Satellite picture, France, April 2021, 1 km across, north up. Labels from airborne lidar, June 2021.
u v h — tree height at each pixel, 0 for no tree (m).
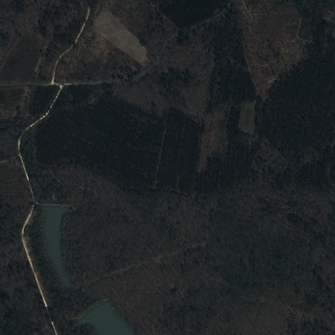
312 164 8
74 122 15
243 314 20
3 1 9
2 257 18
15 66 0
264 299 24
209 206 19
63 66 11
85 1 10
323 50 15
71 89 14
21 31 8
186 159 16
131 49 0
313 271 10
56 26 9
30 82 8
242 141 18
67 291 9
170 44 14
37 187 13
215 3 9
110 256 12
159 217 8
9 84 10
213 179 17
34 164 21
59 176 14
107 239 16
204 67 8
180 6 10
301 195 20
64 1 15
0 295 18
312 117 18
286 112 19
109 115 17
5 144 22
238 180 15
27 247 0
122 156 17
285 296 14
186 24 9
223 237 14
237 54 22
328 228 16
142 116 12
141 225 15
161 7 9
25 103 13
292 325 14
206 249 8
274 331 13
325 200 17
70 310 19
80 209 10
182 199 16
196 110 9
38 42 0
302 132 21
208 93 15
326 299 10
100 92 17
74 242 8
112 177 16
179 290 23
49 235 0
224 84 20
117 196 13
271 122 21
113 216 14
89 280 16
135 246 16
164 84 16
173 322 11
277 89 21
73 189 13
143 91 11
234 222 18
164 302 23
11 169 6
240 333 12
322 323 17
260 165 17
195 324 9
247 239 16
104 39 0
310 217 11
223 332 9
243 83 21
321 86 22
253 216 12
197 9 7
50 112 15
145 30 6
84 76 9
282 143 14
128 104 16
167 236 17
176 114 14
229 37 20
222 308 18
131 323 24
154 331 24
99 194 16
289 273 13
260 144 20
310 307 14
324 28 18
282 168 6
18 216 20
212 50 7
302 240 13
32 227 7
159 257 13
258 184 8
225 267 17
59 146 11
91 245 11
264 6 7
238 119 22
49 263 10
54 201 23
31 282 24
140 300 23
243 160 20
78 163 14
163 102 12
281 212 11
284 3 10
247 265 14
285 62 6
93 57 0
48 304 0
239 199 15
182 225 13
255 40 6
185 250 14
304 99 23
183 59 12
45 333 16
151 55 10
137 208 16
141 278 17
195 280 19
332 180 17
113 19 0
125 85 9
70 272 18
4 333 18
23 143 20
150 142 16
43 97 16
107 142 15
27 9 9
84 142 14
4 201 11
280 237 13
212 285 22
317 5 17
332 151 10
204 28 9
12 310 18
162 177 15
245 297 20
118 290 22
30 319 18
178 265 15
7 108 0
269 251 19
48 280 17
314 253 16
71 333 16
